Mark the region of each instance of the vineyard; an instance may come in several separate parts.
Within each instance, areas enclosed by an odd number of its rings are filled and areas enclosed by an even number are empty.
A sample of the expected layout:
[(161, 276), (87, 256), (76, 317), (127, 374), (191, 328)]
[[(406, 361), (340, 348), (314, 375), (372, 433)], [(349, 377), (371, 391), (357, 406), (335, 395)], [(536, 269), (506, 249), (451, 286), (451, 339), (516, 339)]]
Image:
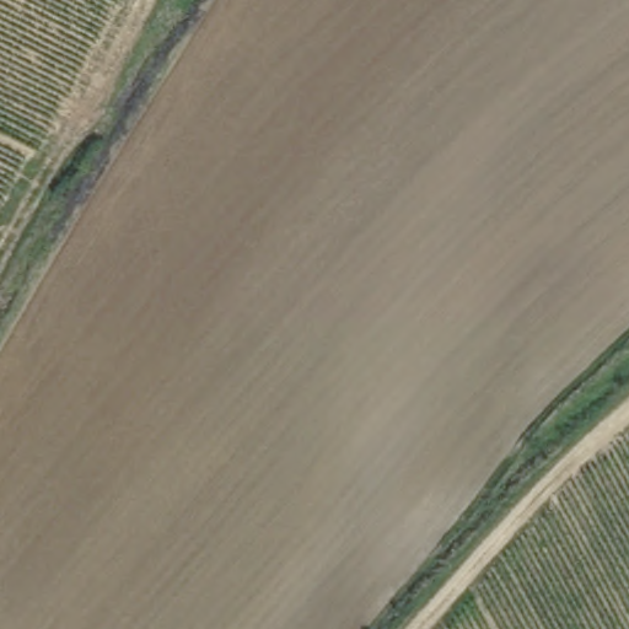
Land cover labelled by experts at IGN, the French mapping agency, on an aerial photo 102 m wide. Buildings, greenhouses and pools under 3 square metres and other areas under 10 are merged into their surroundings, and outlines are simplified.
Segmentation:
[(54, 113), (59, 111), (61, 98), (71, 93), (76, 71), (84, 64), (91, 42), (98, 37), (98, 29), (103, 27), (108, 5), (113, 5), (115, 0), (0, 0), (0, 226), (10, 224), (25, 189), (32, 192), (29, 201), (39, 204), (47, 194), (47, 187), (76, 147), (69, 140), (59, 143), (57, 135), (47, 130), (52, 125)]
[(577, 477), (565, 479), (565, 484), (558, 489), (558, 501), (553, 506), (545, 501), (484, 565), (484, 570), (469, 582), (469, 587), (430, 629), (629, 629), (629, 423), (622, 432), (617, 432), (609, 450), (597, 452), (590, 462), (580, 467)]

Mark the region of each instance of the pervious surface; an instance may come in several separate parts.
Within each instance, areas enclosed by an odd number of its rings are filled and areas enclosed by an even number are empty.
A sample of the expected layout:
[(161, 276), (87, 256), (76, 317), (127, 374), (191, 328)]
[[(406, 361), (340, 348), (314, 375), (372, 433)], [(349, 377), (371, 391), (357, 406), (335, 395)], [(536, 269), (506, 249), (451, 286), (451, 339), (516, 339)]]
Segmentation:
[(558, 501), (558, 489), (565, 484), (565, 479), (577, 477), (580, 467), (590, 462), (597, 452), (609, 450), (617, 432), (622, 432), (629, 423), (629, 398), (622, 405), (617, 405), (607, 418), (602, 418), (575, 447), (565, 452), (565, 457), (560, 457), (536, 482), (536, 486), (531, 486), (531, 491), (501, 518), (501, 523), (472, 550), (472, 555), (459, 565), (459, 570), (403, 629), (430, 629), (469, 587), (469, 582), (484, 570), (484, 565), (545, 501), (553, 506)]
[(29, 216), (37, 211), (39, 204), (29, 201), (32, 192), (25, 189), (10, 224), (0, 226), (0, 273), (12, 256), (17, 236), (25, 231)]
[(54, 113), (52, 125), (47, 130), (57, 135), (59, 143), (69, 140), (76, 147), (88, 135), (91, 125), (106, 115), (106, 103), (113, 93), (113, 84), (120, 74), (128, 52), (143, 32), (143, 25), (155, 0), (115, 0), (113, 5), (108, 5), (103, 27), (98, 29), (98, 37), (91, 42), (84, 64), (76, 71), (71, 93), (61, 98), (59, 111)]

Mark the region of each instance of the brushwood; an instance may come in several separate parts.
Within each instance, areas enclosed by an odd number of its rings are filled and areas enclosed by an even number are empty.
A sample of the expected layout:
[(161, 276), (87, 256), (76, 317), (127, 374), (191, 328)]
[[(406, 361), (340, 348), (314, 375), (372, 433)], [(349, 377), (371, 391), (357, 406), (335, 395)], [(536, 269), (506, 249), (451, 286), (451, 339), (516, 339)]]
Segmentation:
[(54, 187), (59, 201), (66, 199), (93, 170), (98, 155), (88, 150), (79, 172)]

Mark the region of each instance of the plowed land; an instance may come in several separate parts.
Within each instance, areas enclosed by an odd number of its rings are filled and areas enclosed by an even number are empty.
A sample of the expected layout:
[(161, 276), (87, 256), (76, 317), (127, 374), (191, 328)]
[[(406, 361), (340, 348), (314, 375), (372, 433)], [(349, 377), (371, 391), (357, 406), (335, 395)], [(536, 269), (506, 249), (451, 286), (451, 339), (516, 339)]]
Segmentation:
[(199, 5), (197, 22), (170, 52), (167, 64), (157, 74), (145, 101), (128, 118), (125, 133), (111, 145), (108, 165), (101, 179), (93, 184), (93, 189), (84, 192), (84, 201), (74, 206), (66, 229), (49, 248), (52, 263), (42, 283), (37, 285), (34, 295), (25, 305), (20, 319), (12, 324), (7, 337), (0, 334), (0, 629), (364, 629), (373, 619), (378, 619), (388, 602), (437, 550), (437, 543), (445, 536), (445, 531), (450, 531), (459, 521), (467, 506), (482, 494), (484, 484), (496, 472), (496, 467), (514, 450), (521, 447), (521, 435), (533, 423), (533, 418), (568, 383), (572, 383), (612, 342), (617, 342), (624, 329), (629, 329), (629, 0), (204, 0)]

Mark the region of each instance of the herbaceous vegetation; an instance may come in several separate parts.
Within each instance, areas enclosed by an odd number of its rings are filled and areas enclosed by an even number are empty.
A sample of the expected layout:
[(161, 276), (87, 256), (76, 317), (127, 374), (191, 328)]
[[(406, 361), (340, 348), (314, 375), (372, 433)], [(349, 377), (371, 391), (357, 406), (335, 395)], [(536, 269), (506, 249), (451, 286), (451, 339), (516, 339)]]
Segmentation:
[(437, 543), (437, 550), (388, 602), (378, 619), (373, 619), (364, 629), (403, 629), (459, 570), (459, 565), (472, 555), (472, 550), (501, 523), (501, 518), (531, 491), (531, 486), (536, 486), (536, 482), (560, 457), (565, 457), (565, 452), (575, 447), (602, 418), (607, 418), (617, 405), (622, 405), (629, 398), (629, 329), (624, 329), (617, 342), (612, 342), (572, 383), (568, 383), (533, 418), (533, 423), (521, 435), (521, 447), (514, 450), (496, 467), (496, 472), (484, 484), (482, 494), (467, 506), (459, 521), (450, 531), (445, 531), (445, 536)]
[[(108, 165), (111, 145), (125, 133), (128, 118), (145, 101), (157, 74), (167, 64), (170, 52), (197, 22), (199, 5), (204, 0), (155, 0), (143, 25), (143, 32), (128, 52), (120, 74), (113, 84), (113, 93), (106, 103), (106, 115), (91, 125), (88, 135), (76, 147), (47, 187), (47, 194), (39, 204), (37, 211), (29, 216), (25, 231), (17, 236), (12, 256), (0, 273), (0, 334), (7, 337), (12, 324), (20, 319), (25, 305), (34, 295), (37, 285), (42, 283), (52, 263), (49, 248), (66, 229), (74, 206), (84, 201), (84, 192), (93, 189), (93, 184), (101, 179)], [(79, 172), (88, 150), (98, 155), (93, 170), (66, 199), (59, 201), (54, 187)]]

